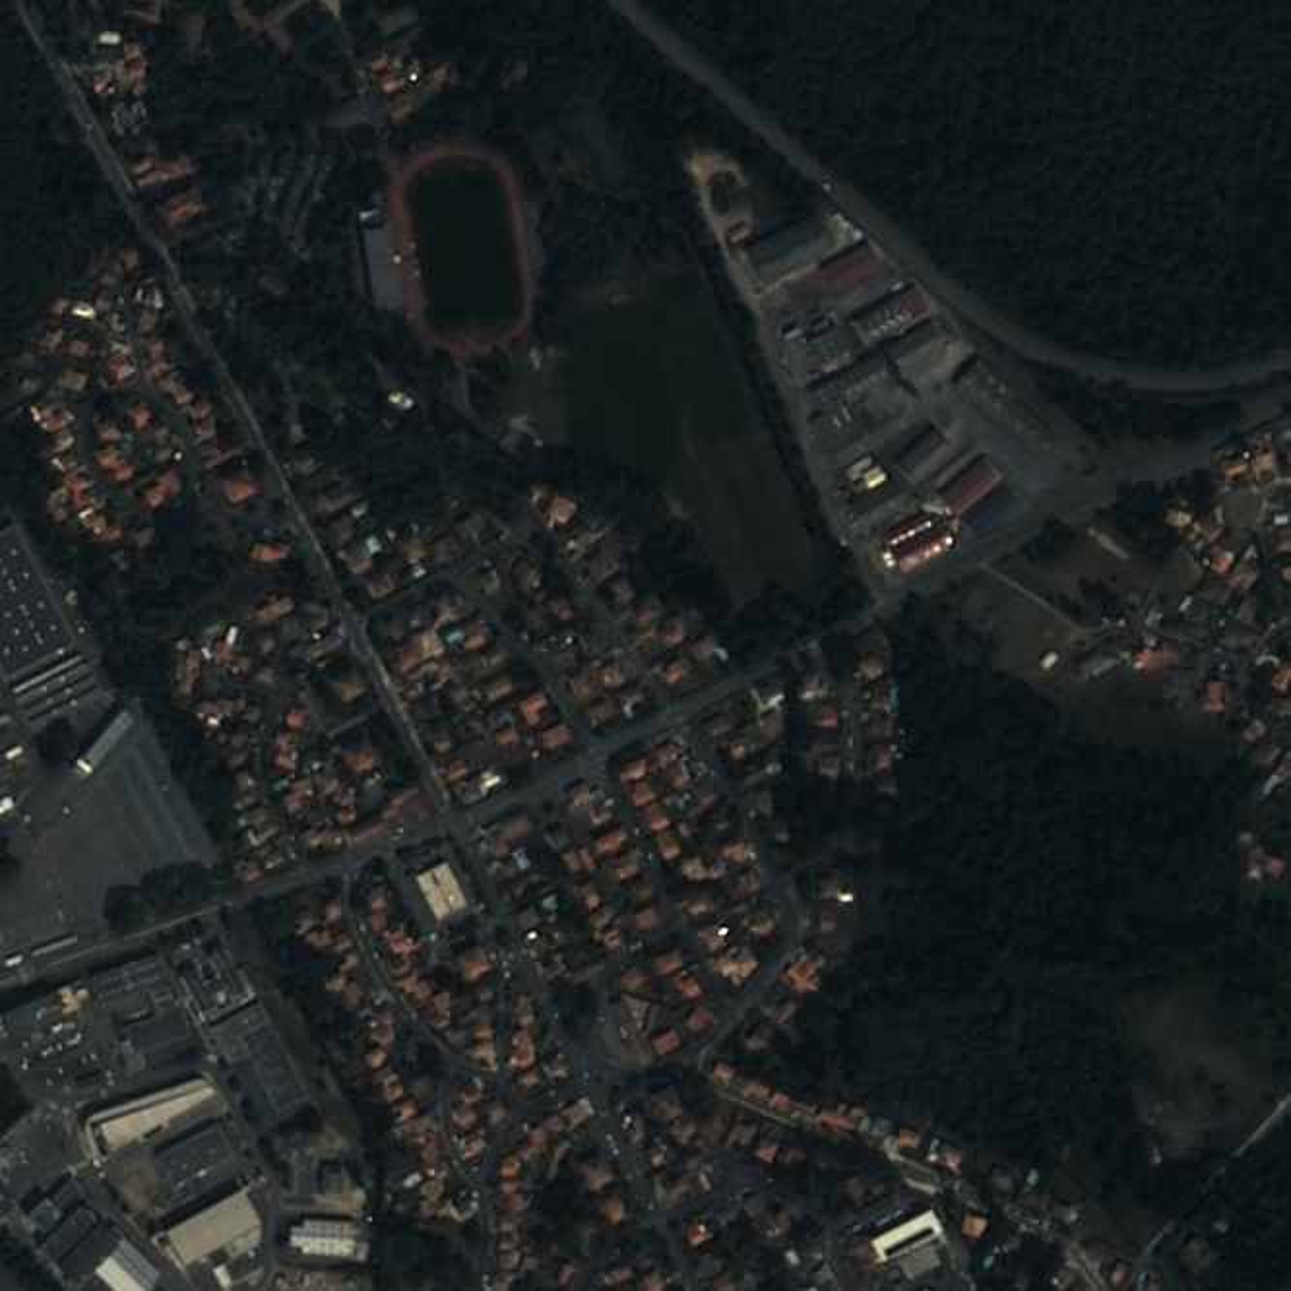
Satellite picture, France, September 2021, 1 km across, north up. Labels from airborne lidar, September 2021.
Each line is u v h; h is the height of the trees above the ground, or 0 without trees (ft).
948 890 29
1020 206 71
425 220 0
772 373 0
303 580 37
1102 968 77
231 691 0
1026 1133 53
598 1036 0
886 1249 0
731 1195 0
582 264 81
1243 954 58
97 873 0
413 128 42
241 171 36
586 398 0
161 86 53
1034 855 31
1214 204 41
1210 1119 0
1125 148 76
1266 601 32
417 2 27
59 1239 0
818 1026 63
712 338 0
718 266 34
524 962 0
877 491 0
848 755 0
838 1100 28
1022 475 0
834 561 24
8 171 71
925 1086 26
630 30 32
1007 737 74
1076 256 80
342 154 30
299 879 0
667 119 40
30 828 0
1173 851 97
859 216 0
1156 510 49
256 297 62
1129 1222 0
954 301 0
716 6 37
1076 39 75
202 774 64
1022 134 65
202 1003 0
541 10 62
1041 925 33
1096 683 0
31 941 0
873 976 31
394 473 75
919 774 65
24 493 76
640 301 0
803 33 70
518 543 0
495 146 41
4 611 0
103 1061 0
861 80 86
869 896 0
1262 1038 29
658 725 0
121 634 69
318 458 31
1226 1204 41
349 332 43
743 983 0
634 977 0
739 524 0
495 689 0
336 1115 0
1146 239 67
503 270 0
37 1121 0
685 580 36
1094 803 65
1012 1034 67
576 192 23
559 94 69
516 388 0
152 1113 0
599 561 0
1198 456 0
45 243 70
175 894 71
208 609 74
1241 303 31
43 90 66
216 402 32
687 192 32
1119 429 39
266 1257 0
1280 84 60
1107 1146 54
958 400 0
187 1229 0
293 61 33
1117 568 0
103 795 0
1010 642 0
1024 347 0
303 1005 27
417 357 42
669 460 0
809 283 0
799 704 49
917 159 28
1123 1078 35
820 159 22
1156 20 67
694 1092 63
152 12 0
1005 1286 30
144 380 0
